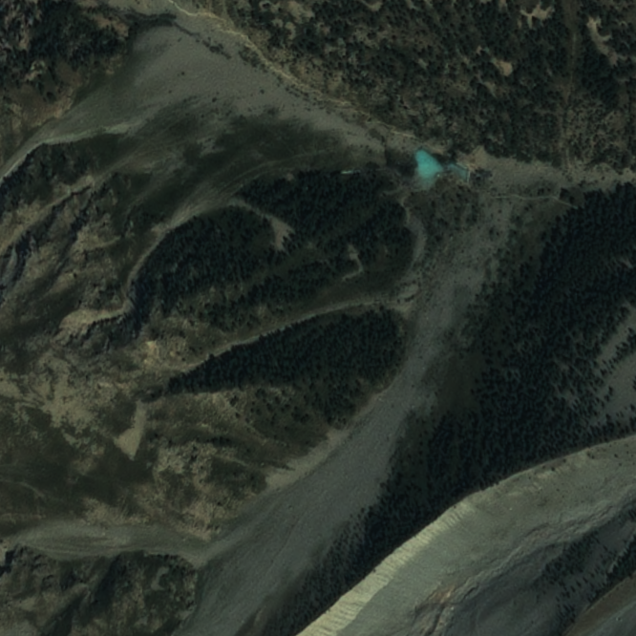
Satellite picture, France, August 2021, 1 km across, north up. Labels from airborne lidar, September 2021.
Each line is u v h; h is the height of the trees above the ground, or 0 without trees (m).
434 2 11
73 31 8
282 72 0
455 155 13
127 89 0
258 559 0
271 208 12
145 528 0
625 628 0
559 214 0
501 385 10
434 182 0
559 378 8
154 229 0
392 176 0
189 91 0
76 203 0
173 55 0
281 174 0
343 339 21
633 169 13
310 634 0
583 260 21
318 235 10
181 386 16
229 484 0
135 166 0
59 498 0
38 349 0
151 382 0
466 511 0
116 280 6
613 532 0
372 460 0
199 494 0
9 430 0
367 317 7
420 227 0
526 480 0
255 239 23
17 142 0
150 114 0
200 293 9
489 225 0
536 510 0
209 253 17
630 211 25
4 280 0
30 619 0
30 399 0
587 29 16
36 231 0
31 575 0
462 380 0
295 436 0
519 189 0
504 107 17
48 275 0
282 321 0
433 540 0
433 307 0
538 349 7
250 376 13
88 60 15
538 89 13
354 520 0
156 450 0
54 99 16
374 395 0
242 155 0
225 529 0
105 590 0
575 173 0
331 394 8
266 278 0
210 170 0
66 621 0
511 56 19
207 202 0
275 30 11
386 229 17
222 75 0
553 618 0
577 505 0
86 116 0
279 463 0
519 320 10
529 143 12
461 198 6
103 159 0
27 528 0
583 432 10
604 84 20
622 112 13
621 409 0
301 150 0
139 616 0
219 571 0
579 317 16
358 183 8
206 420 0
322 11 11
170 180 0
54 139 0
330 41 13
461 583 0
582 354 9
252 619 0
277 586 0
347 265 15
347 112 0
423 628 0
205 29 0
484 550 0
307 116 0
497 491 0
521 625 0
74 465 0
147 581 0
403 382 0
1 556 0
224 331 9
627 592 0
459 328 0
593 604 11
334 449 0
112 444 0
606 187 0
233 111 0
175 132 0
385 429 0
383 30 14
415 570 0
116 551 0
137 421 0
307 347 12
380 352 16
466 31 15
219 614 0
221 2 0
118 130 0
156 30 0
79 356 0
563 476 0
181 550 0
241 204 0
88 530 0
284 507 0
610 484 0
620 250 24
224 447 12
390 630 0
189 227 7
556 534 0
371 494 0
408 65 13
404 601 0
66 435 0
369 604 0
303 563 0
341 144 0
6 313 0
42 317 0
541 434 10
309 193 11
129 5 0
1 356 0
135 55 0
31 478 0
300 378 7
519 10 10
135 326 0
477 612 0
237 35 0
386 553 7
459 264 0
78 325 0
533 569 0
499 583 0
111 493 0
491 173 0
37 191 0
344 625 0
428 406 0
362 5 13
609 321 8
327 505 0
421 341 0
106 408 0
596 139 7
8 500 0
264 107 0
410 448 0
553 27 14
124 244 0
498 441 6
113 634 0
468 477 6
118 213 0
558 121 7
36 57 13
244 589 0
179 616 0
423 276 0
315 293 18
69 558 0
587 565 0
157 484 0
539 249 0
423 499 0
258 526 0
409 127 0
